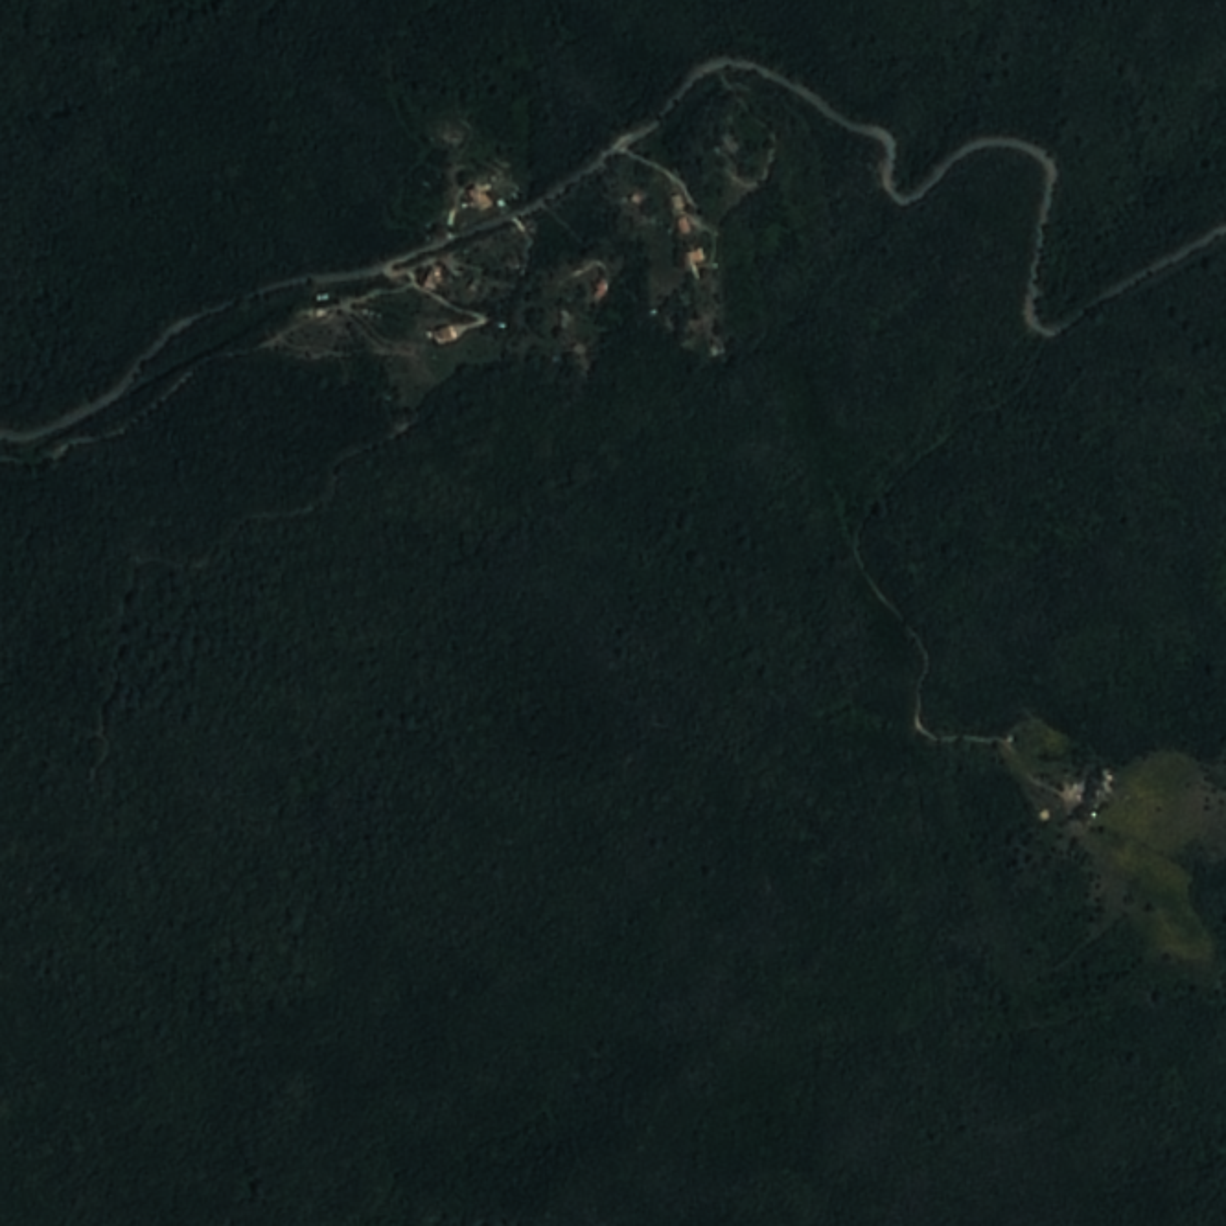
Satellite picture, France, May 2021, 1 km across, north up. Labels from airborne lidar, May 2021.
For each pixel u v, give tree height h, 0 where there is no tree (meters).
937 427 10
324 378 13
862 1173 9
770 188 7
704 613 7
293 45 9
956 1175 9
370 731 9
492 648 8
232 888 10
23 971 6
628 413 7
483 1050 7
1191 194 6
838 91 7
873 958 6
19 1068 9
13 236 8
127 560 9
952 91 8
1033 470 6
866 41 7
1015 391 12
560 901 7
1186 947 0
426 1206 7
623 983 6
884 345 7
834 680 7
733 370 11
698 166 9
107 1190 15
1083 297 17
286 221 6
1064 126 13
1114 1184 10
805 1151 5
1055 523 7
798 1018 7
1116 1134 6
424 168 6
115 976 8
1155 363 7
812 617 8
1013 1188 5
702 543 9
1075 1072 9
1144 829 0
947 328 8
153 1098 7
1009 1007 8
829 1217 10
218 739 6
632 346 8
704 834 7
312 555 9
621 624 7
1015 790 6
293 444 7
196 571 8
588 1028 5
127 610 6
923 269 9
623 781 8
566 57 7
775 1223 8
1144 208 15
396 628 7
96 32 18
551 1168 9
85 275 6
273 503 7
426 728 9
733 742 10
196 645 7
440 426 12
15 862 6
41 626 12
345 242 7
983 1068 6
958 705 7
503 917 7
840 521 7
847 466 6
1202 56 8
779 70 7
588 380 8
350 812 9
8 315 11
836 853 6
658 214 11
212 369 9
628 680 8
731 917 6
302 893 9
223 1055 14
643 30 6
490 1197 7
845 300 8
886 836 8
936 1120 6
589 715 12
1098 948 6
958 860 8
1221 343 9
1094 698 8
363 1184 15
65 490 7
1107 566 6
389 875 8
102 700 9
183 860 9
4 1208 6
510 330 10
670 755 6
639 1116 7
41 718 8
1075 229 13
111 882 9
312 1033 10
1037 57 7
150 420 8
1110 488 6
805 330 8
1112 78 7
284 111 7
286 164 9
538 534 11
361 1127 12
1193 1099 7
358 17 7
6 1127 7
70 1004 10
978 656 5
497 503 9
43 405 17
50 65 16
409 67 10
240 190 8
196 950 8
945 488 8
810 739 6
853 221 6
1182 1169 12
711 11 6
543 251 7
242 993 7
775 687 6
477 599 12
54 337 7
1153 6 6
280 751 8
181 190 7
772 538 9
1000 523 6
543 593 6
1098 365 6
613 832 7
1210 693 8
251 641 7
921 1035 7
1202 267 7
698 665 7
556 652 7
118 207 6
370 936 15
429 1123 8
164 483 7
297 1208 13
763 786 9
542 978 6
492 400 8
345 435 9
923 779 7
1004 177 6
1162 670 7
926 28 9
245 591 11
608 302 7
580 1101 11
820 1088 6
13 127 13
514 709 10
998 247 9
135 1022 6
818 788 7
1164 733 6
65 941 10
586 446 10
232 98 6
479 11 8
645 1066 6
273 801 13
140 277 6
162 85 6
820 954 6
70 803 8
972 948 7
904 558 7
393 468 7
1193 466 6
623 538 7
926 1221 6
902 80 13
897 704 6
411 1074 8
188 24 12
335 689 6
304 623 7
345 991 9
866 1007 6
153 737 10
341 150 8
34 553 12
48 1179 10
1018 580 5
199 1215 12
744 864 7
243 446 7
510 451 8
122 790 10
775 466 6
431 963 8
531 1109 8
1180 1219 9
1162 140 8
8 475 10
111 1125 9
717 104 7
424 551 10
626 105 6
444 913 7
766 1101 6
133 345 7
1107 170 8
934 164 6
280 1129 8
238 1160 22
